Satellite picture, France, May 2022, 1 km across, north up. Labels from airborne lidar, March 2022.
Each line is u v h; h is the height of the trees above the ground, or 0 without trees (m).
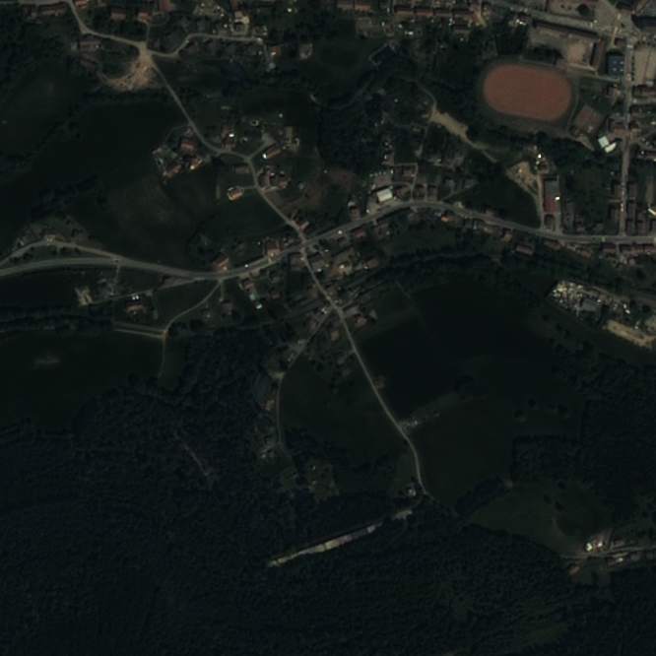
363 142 12
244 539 28
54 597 16
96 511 25
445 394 0
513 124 0
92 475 30
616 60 0
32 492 9
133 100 18
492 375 0
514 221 0
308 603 15
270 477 0
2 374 0
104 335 0
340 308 0
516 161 0
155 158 0
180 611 25
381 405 0
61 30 0
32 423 11
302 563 22
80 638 15
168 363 0
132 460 30
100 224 0
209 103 0
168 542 8
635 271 0
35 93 0
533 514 0
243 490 34
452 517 16
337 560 10
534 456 19
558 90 0
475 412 0
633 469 16
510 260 17
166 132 0
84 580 23
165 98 15
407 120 6
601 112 0
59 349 0
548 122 0
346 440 0
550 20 0
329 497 0
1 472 22
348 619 14
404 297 0
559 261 7
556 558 15
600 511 0
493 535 15
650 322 0
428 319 0
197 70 0
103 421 31
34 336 0
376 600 13
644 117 0
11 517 26
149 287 0
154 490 11
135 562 22
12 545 22
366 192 0
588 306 0
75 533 26
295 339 10
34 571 25
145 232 0
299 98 0
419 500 9
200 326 17
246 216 0
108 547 27
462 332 0
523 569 8
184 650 17
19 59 16
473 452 0
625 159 0
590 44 0
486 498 24
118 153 0
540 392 0
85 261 0
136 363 0
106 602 14
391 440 0
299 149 0
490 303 0
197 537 10
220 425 10
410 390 0
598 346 0
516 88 0
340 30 0
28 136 0
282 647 28
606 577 0
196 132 0
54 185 0
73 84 0
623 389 18
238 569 13
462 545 18
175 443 27
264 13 0
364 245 5
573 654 18
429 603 8
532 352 0
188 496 35
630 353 0
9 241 0
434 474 0
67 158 0
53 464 25
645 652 16
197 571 27
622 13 0
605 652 12
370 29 0
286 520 22
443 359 0
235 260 0
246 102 0
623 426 20
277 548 28
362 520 23
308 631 16
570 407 0
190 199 0
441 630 10
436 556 21
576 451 8
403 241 0
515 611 6
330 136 17
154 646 10
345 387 0
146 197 0
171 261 0
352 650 22
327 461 14
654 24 0
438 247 0
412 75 25
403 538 19
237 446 26
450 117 0
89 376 0
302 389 0
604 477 18
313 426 0
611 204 0
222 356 18
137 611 14
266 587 28
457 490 0
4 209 0
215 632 21
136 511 10
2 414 0
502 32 6
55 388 0
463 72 0
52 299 0
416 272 25
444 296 0
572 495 0
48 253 0
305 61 0
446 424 0
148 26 0
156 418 34
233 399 28
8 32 17
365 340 0
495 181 13
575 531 0
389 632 11
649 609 16
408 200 0
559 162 20
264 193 0
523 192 0
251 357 22
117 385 0
